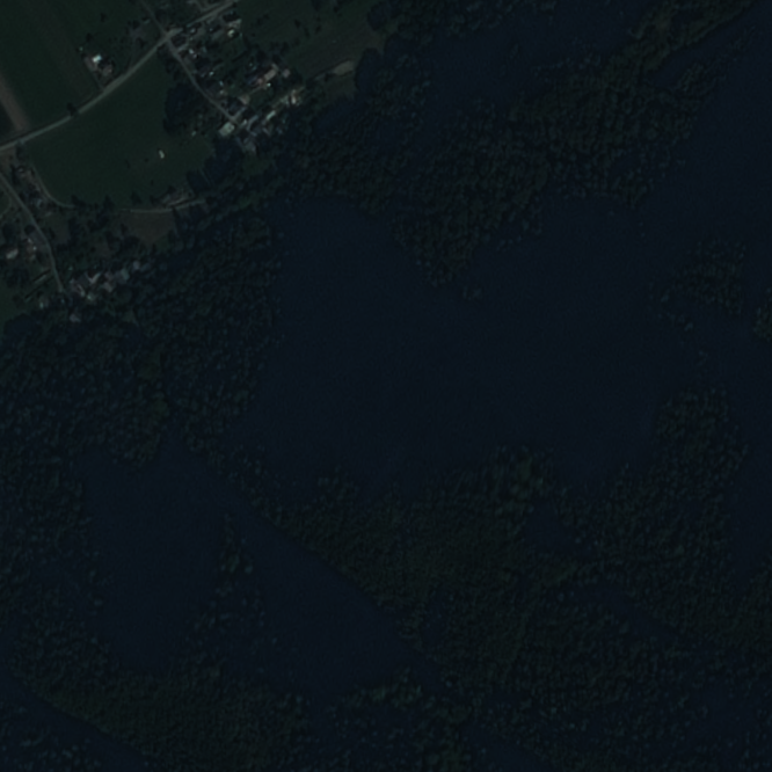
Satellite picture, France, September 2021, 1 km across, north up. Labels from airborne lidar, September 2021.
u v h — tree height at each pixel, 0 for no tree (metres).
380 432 22
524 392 18
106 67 0
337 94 0
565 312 26
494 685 22
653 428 39
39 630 30
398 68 27
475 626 28
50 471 24
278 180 16
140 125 0
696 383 32
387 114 24
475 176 22
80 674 23
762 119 27
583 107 26
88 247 9
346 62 0
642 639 33
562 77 26
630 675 29
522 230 32
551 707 23
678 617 26
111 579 32
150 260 6
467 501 25
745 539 29
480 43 21
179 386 22
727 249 22
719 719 21
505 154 24
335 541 24
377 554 18
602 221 22
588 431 27
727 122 34
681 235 20
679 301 32
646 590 28
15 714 30
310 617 32
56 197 0
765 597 23
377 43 0
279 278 22
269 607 33
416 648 18
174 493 27
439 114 25
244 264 30
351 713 26
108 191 0
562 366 20
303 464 25
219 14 0
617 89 22
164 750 21
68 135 0
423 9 11
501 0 23
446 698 31
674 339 18
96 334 28
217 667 35
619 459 16
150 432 26
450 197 26
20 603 21
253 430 21
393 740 35
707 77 23
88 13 0
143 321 19
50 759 32
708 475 30
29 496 29
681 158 20
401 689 25
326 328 20
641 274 20
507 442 21
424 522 14
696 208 27
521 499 33
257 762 25
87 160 0
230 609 24
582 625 28
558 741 22
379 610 22
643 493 28
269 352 22
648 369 27
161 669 26
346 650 25
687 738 24
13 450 28
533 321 26
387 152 18
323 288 15
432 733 32
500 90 19
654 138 23
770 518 26
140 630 30
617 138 20
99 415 30
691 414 28
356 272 13
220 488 23
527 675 18
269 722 23
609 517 27
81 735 25
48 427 30
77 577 23
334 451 13
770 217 22
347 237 18
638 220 26
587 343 25
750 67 25
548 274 26
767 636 30
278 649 28
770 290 24
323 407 19
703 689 29
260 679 34
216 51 9
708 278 24
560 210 26
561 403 26
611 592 24
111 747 14
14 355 19
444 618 19
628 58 19
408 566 14
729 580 27
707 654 41
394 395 10
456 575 20
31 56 0
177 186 0
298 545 26
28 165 12
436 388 26
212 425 25
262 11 0
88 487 31
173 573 32
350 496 17
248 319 21
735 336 15
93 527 31
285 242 30
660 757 26
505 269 22
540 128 24
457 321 13
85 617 26
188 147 0
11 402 28
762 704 31
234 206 23
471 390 22
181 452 37
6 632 20
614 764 23
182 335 25
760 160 29
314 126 0
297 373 27
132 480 26
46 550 21
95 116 0
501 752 28
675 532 27
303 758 24
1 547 27
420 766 28
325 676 30
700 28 20
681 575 26
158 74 0
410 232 30
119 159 0
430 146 21
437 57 17
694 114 28
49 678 26
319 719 30
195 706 19
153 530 34
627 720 30
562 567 32
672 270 17
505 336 27
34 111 0
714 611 23
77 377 29
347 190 30
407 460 21
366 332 16
